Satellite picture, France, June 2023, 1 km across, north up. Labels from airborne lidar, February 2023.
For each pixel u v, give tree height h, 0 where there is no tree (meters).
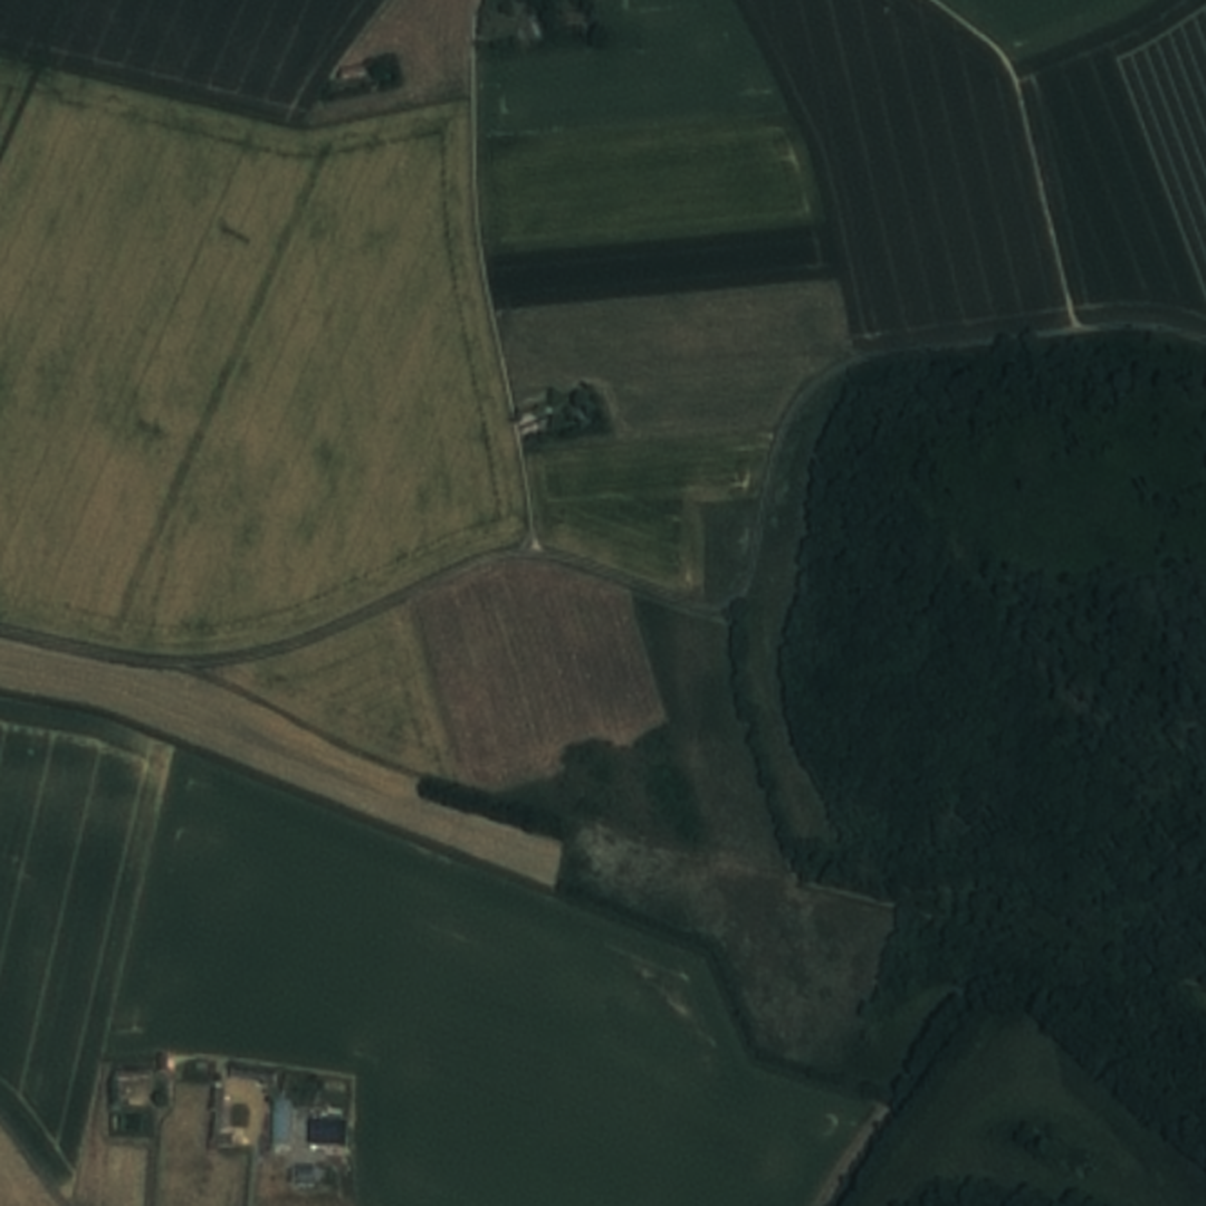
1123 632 22
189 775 0
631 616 0
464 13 0
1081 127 0
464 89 0
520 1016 0
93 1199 0
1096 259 0
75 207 0
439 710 0
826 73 0
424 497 0
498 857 0
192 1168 0
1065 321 0
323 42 0
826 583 18
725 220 0
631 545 0
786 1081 0
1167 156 0
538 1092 0
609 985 0
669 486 0
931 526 21
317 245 0
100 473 0
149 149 0
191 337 0
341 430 0
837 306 0
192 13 0
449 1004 0
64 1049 0
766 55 0
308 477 0
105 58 0
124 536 0
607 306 0
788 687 14
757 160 0
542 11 11
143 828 0
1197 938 21
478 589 0
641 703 0
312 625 0
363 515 0
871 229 0
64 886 0
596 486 0
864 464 20
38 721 0
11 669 0
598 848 0
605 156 0
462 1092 0
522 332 0
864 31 0
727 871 0
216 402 0
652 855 0
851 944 0
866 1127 0
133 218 0
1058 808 22
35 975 0
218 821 0
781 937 0
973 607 20
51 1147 0
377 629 0
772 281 0
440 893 0
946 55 0
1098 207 0
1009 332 0
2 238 0
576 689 0
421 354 0
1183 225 0
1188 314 0
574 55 0
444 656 0
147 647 0
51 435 0
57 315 0
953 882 17
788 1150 0
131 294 0
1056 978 22
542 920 0
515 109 0
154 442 0
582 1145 0
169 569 0
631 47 0
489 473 0
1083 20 0
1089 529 0
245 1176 0
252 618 0
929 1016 0
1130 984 18
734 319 0
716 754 0
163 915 0
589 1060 0
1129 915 17
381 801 0
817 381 0
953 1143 0
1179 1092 14
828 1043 0
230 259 0
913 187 0
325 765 0
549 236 0
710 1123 0
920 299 0
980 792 18
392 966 0
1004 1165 0
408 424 0
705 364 0
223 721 0
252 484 0
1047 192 0
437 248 0
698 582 0
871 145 0
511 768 0
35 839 0
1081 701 24
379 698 0
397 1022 0
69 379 0
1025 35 0
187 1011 0
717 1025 0
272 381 0
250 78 0
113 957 0
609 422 9
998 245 0
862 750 17
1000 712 14
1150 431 0
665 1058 0
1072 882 16
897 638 21
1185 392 23
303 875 0
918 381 18
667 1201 0
